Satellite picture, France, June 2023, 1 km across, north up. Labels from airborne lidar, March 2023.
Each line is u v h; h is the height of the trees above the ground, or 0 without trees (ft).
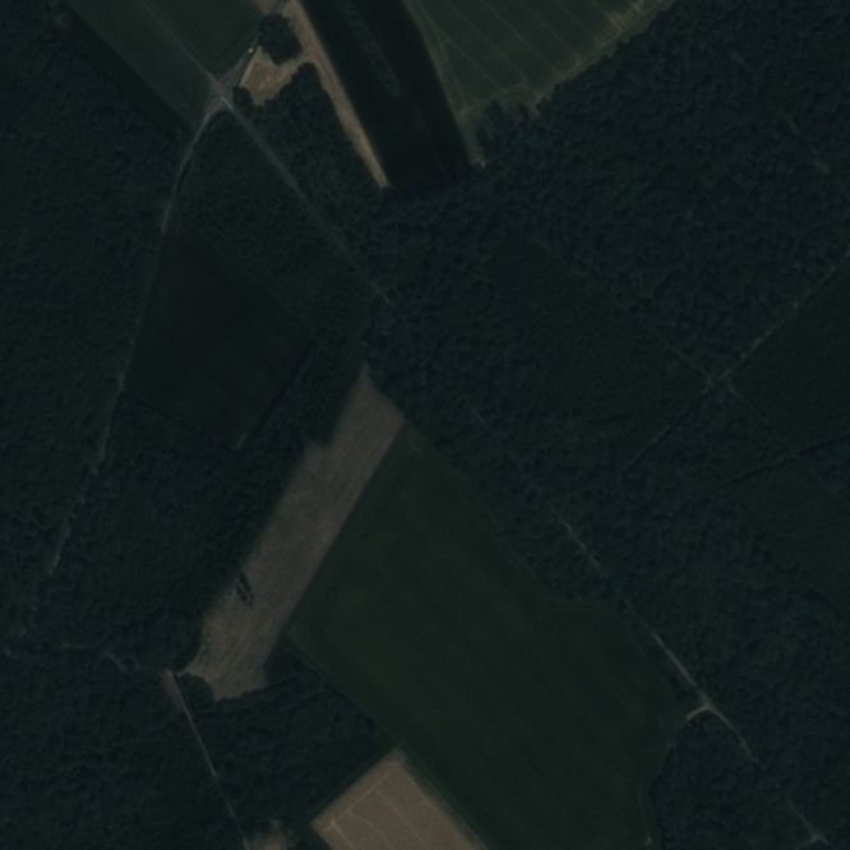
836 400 18
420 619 0
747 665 82
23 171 71
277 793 63
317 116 52
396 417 0
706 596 83
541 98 0
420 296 49
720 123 66
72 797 57
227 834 82
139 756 23
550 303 21
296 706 53
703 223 104
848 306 25
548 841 0
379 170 0
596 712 0
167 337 0
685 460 76
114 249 95
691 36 24
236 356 0
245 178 30
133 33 0
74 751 42
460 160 0
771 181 85
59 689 58
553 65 0
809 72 94
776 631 81
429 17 0
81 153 71
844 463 86
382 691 0
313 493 0
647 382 36
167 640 78
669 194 92
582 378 28
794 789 51
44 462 80
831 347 22
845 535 26
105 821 63
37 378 73
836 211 71
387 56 0
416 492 0
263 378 0
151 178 78
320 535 0
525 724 0
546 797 0
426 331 45
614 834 0
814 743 83
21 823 77
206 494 77
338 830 0
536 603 0
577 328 23
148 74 0
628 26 0
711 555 81
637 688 0
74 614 71
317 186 54
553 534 73
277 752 59
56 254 70
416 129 0
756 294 73
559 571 37
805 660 81
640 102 83
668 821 45
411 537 0
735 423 47
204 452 41
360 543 0
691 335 72
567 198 53
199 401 0
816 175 73
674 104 35
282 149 73
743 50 85
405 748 0
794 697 48
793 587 75
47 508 83
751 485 26
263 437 45
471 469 62
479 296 79
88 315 65
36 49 75
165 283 0
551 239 89
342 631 0
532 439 77
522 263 22
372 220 84
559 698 0
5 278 67
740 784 97
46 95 71
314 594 0
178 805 37
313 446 0
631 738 0
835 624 53
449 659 0
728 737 71
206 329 0
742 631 85
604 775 0
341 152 32
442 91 0
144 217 88
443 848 0
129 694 88
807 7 101
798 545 22
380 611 0
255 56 0
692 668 36
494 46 0
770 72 97
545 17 0
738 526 27
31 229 63
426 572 0
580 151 59
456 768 0
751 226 99
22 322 88
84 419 87
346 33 0
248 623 0
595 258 45
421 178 0
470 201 66
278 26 63
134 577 40
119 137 84
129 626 47
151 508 84
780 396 23
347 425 0
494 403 65
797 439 20
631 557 90
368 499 0
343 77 0
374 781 0
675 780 69
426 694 0
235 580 0
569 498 62
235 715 40
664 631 35
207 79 0
